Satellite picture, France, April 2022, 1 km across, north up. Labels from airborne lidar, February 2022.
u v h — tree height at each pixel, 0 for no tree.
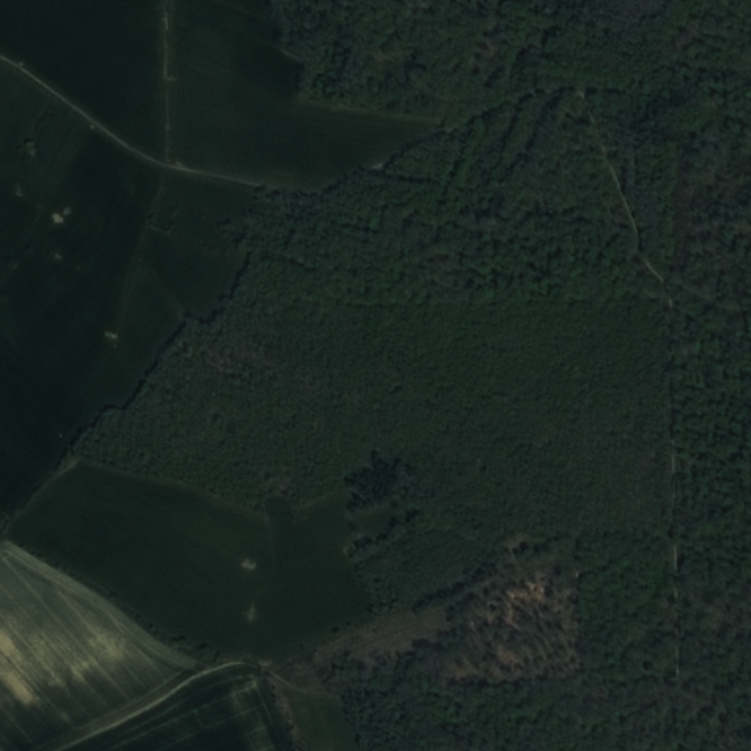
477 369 13
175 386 18
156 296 0
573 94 18
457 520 22
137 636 0
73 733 0
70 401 0
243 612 0
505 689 11
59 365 0
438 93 25
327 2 23
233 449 15
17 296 0
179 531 0
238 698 0
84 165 0
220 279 0
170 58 0
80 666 0
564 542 19
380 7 24
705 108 27
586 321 11
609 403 16
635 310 11
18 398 0
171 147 0
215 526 0
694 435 18
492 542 20
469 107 20
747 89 17
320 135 0
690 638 18
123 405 0
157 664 0
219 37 0
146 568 0
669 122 25
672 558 20
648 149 25
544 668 24
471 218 29
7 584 0
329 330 16
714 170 27
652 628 13
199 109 0
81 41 0
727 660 22
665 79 23
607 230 25
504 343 12
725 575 27
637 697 16
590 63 26
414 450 16
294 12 20
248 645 0
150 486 0
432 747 24
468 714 23
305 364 15
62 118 0
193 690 0
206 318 0
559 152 25
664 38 27
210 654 15
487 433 15
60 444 0
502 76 21
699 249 29
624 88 23
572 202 26
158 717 0
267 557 0
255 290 18
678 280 25
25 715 0
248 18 0
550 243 14
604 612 22
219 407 17
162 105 0
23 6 0
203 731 0
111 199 0
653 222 28
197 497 0
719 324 24
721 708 26
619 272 20
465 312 11
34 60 0
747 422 17
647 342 12
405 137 0
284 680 0
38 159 0
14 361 0
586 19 25
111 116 0
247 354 19
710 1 23
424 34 25
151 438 15
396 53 26
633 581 19
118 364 0
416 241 27
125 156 0
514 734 11
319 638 0
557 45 24
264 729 0
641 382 15
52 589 0
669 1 18
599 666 24
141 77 0
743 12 20
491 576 17
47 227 0
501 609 26
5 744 0
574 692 24
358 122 0
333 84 9
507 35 24
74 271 0
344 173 0
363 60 27
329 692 0
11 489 0
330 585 0
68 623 0
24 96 0
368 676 26
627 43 27
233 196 0
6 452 0
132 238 0
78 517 0
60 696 0
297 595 0
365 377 17
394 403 17
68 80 0
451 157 23
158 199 0
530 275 24
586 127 21
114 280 0
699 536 28
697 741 27
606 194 21
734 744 28
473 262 22
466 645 25
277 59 0
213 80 0
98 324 0
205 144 0
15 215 0
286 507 0
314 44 26
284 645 0
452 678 26
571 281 20
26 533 0
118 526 0
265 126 0
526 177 26
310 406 16
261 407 16
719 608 29
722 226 24
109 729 0
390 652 0
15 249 0
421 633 0
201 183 0
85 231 0
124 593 0
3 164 0
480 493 15
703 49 24
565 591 0
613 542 21
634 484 15
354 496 0
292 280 23
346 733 0
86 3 0
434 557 9
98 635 0
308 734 0
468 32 24
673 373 23
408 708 20
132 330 0
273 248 18
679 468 0
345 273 26
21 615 0
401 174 21
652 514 17
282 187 0
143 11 0
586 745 21
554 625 9
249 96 0
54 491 0
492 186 20
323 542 0
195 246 0
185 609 0
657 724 26
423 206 21
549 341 11
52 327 0
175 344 15
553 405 17
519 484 16
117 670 0
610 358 14
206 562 0
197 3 0
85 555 0
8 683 0
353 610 0
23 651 0
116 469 13
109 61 0
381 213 19
